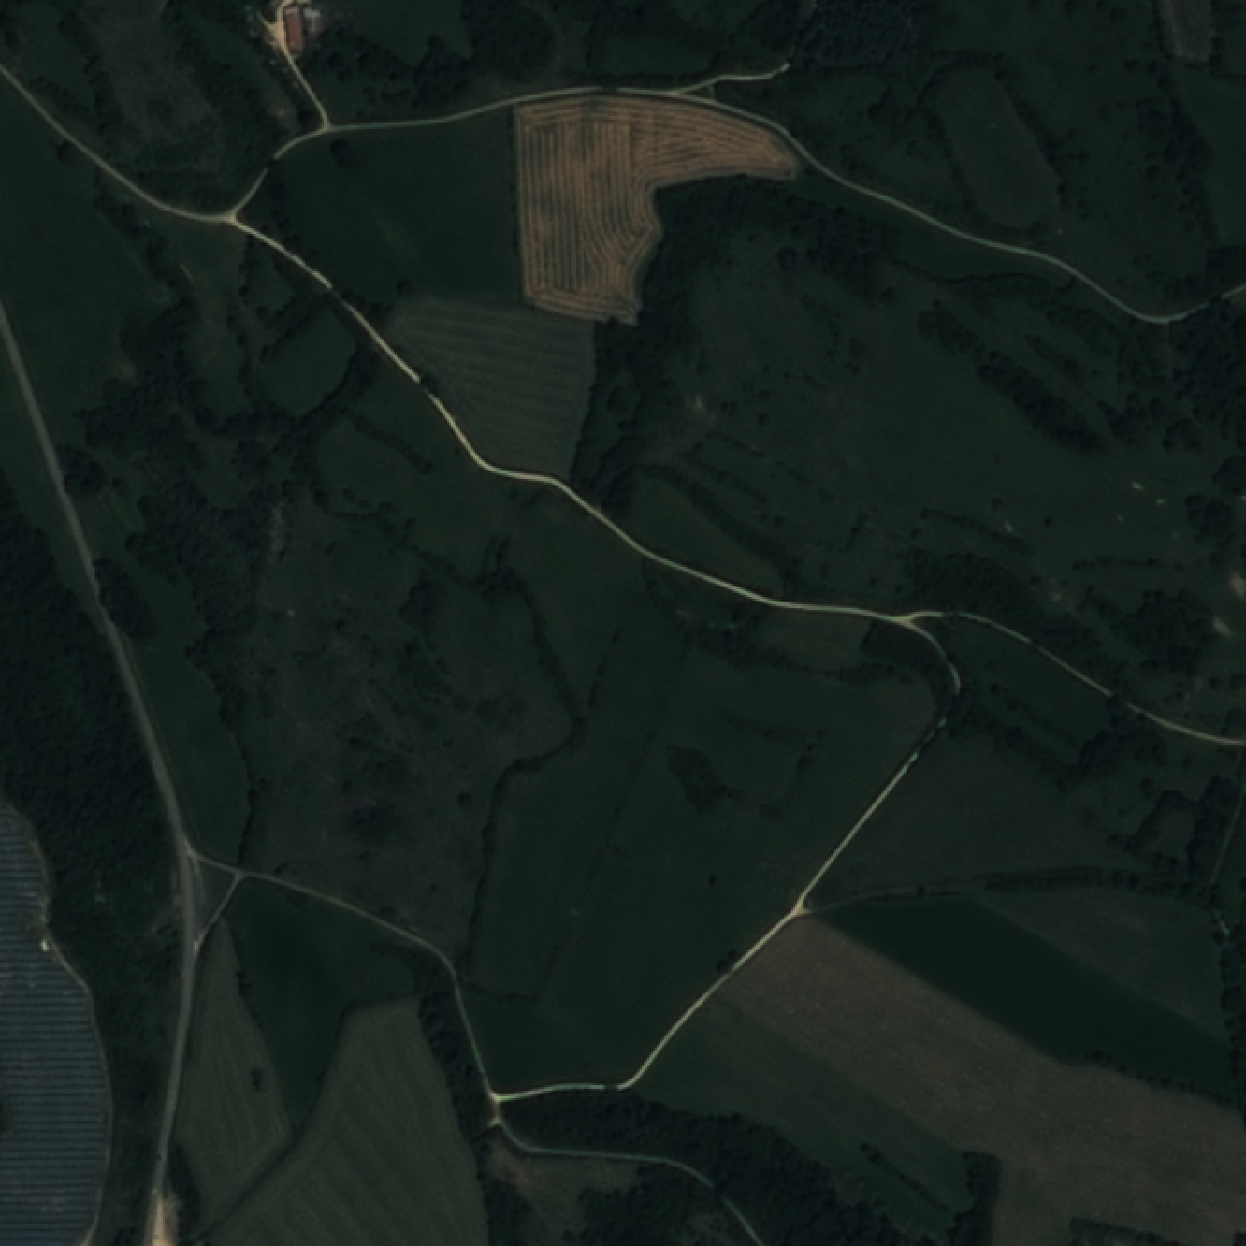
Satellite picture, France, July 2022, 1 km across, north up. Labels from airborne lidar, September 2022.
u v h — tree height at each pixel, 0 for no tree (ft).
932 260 0
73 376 0
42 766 29
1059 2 0
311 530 0
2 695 31
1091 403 0
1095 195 0
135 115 0
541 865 0
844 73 23
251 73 0
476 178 0
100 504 0
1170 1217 0
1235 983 39
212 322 0
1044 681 0
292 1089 0
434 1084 0
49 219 0
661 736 0
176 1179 25
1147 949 0
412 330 0
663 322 23
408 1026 0
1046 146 22
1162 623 31
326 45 20
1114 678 20
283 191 54
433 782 0
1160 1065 0
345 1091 0
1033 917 0
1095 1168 0
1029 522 0
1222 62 52
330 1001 0
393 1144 0
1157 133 26
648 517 0
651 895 0
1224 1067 0
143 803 73
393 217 0
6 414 0
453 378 0
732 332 0
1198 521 24
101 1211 0
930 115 29
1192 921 0
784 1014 0
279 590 0
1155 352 25
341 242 0
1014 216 0
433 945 0
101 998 23
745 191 23
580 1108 24
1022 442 0
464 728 0
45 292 0
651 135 0
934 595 29
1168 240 0
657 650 0
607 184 0
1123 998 0
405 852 0
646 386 30
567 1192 0
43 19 0
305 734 0
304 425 35
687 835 0
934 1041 0
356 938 0
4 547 51
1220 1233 0
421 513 0
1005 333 0
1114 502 0
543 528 0
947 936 0
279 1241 0
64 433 0
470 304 0
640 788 0
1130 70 32
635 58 0
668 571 0
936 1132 0
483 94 0
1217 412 24
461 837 0
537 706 0
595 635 0
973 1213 34
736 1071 0
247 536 26
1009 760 0
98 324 0
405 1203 0
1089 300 0
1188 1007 0
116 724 42
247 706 25
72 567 0
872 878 0
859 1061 0
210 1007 0
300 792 0
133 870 25
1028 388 49
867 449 0
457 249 0
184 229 0
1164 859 36
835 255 40
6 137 0
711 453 0
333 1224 0
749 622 30
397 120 0
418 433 0
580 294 0
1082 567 23
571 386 0
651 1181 29
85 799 26
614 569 0
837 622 0
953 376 0
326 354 0
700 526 0
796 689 0
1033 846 0
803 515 0
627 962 0
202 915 0
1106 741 52
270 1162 0
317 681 0
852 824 0
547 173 0
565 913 0
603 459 24
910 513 0
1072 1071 0
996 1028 0
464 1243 0
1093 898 0
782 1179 44
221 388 0
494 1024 0
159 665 0
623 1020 0
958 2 0
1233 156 0
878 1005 0
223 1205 0
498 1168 0
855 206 0
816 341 0
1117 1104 0
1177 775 0
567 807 0
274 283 0
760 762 0
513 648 0
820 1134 0
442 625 0
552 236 0
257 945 0
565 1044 0
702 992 0
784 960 0
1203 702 0
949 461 0
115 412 21
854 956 0
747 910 0
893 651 21
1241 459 20
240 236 0
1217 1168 0
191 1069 0
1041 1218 0
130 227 20
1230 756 21
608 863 0
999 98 0
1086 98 0
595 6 22
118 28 0
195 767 0
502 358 0
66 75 0
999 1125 0
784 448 0
